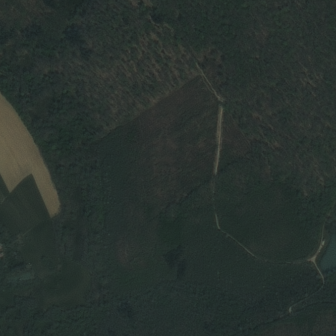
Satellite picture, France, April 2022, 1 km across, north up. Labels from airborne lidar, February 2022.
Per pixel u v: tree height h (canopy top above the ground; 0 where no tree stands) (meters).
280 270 14
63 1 31
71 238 26
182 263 19
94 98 28
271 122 29
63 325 23
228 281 15
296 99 33
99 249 30
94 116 31
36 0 18
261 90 32
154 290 22
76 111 31
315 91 30
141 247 10
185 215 22
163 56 0
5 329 0
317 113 33
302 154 29
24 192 0
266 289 18
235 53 32
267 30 32
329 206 28
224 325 12
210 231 15
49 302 0
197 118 12
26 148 0
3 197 0
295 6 28
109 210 9
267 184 20
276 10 28
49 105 0
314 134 31
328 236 0
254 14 28
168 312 17
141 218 10
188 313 15
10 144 0
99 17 33
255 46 34
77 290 0
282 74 30
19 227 0
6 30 25
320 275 17
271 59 31
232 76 29
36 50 18
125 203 11
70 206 22
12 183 0
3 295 0
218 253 16
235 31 28
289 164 33
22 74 28
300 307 14
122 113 30
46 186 0
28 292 0
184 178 0
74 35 36
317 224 24
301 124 30
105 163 12
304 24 27
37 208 0
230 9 27
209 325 15
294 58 29
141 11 24
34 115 0
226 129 8
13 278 0
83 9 22
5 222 0
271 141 35
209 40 30
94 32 34
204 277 14
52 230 0
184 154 0
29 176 0
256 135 22
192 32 32
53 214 0
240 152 6
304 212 21
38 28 33
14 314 0
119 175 11
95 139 24
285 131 31
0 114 0
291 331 0
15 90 27
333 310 10
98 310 21
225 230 12
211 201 16
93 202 33
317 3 30
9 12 21
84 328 19
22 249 0
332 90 29
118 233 11
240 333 16
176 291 22
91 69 29
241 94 29
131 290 10
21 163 0
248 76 30
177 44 33
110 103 31
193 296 16
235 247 15
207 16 31
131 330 18
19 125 0
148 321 14
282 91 30
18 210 0
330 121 32
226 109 31
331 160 30
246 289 21
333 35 31
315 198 27
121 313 26
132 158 10
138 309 16
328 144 27
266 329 10
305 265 12
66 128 17
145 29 31
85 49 28
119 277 7
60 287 0
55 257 0
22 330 0
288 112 31
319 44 29
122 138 12
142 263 9
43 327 0
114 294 8
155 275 9
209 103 7
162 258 10
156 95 36
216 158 0
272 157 30
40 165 0
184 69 31
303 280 19
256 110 29
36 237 0
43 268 0
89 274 0
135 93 34
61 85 36
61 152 32
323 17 30
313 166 31
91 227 17
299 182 30
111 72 33
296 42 28
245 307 12
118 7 0
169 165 0
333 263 0
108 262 10
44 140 29
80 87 27
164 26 31
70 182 27
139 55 33
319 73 30
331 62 31
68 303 0
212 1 32
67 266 0
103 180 12
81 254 0
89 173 30
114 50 30
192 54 30
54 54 25
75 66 27
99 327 17
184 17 29
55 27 19
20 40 24
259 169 23
